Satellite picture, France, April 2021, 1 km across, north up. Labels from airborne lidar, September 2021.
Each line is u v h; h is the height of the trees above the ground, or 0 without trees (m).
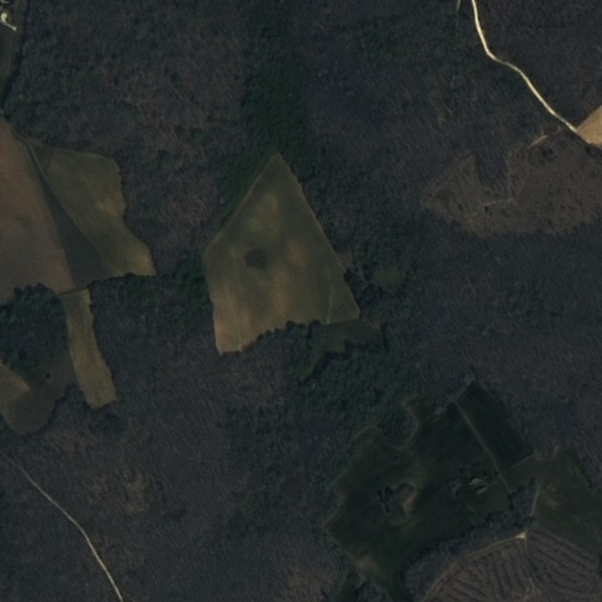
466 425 0
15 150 0
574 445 15
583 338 17
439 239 19
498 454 0
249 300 0
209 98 14
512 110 23
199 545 22
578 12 9
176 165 20
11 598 20
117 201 0
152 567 18
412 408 0
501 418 0
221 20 16
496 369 15
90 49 7
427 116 20
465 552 22
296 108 15
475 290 15
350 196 18
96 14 16
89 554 14
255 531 21
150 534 19
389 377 25
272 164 0
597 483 14
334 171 11
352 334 0
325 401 24
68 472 18
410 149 18
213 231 19
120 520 15
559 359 14
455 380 20
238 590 19
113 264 0
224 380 19
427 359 23
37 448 15
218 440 18
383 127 20
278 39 17
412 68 23
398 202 21
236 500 20
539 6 7
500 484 0
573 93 11
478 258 14
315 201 13
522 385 16
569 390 17
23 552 15
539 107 23
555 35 10
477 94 22
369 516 0
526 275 16
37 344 21
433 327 22
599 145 0
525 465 0
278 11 16
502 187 21
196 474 21
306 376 21
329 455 19
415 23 21
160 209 15
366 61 22
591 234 17
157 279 11
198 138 18
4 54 0
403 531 0
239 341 0
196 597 21
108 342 19
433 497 0
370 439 0
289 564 20
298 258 0
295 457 16
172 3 15
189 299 21
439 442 0
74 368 0
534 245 18
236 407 18
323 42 16
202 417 19
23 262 0
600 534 0
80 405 16
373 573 0
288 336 18
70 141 16
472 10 6
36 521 20
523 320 10
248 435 19
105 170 0
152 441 19
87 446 13
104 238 0
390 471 0
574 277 17
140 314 18
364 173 17
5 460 14
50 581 20
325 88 18
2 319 19
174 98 13
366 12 17
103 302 17
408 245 19
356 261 9
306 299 0
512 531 20
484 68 18
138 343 21
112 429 26
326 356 0
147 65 13
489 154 18
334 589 17
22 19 0
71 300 0
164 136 17
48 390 0
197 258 16
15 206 0
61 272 0
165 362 16
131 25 14
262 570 19
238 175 20
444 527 0
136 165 8
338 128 19
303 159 15
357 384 25
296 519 24
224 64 16
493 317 19
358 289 23
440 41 23
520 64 11
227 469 19
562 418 18
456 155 17
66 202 0
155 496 19
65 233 0
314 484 21
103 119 15
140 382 18
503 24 6
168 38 14
